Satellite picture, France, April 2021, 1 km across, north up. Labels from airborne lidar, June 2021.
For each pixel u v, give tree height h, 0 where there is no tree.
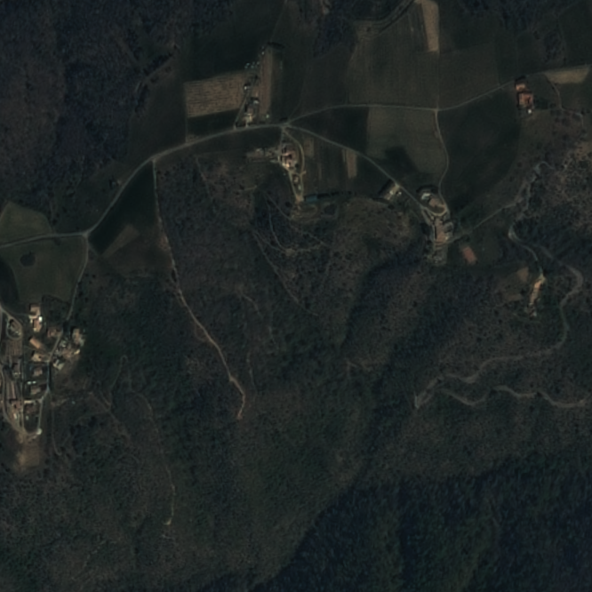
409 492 20
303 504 8
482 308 7
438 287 11
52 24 25
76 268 0
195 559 11
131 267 0
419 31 0
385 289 9
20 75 12
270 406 6
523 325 7
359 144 0
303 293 13
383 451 8
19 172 13
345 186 0
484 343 8
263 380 12
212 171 11
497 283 11
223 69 0
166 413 19
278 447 7
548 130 0
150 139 0
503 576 25
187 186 12
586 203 7
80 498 7
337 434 8
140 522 13
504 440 11
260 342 14
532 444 22
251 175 0
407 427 6
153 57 0
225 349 5
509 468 24
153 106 0
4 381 0
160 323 8
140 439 6
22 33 14
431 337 12
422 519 16
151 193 0
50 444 11
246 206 6
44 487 6
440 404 14
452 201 0
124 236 0
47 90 21
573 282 6
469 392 9
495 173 0
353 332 22
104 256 0
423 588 15
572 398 9
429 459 10
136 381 17
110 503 7
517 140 0
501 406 12
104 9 12
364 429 7
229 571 9
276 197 10
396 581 21
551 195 8
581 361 7
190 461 25
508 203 0
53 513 6
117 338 8
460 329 7
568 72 0
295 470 8
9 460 0
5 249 0
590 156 10
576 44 0
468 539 22
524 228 32
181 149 0
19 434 0
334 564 22
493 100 0
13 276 0
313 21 11
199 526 8
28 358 0
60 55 27
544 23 0
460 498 23
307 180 0
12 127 9
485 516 20
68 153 13
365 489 25
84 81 17
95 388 10
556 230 10
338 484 14
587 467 25
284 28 0
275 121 0
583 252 10
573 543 19
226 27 0
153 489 6
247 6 0
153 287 7
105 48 15
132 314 8
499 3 6
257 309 11
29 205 6
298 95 0
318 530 9
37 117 20
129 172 0
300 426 7
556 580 18
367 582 21
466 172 0
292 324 15
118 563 8
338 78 0
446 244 0
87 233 0
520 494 24
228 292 10
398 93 0
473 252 0
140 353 16
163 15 11
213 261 14
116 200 0
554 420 8
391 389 20
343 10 7
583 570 17
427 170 0
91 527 9
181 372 7
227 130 0
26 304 0
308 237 11
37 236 0
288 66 0
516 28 11
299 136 0
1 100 10
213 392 10
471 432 10
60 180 14
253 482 7
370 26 0
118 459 9
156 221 0
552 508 22
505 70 0
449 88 0
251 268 17
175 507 9
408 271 10
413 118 0
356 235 8
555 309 12
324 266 9
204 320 9
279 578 9
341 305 8
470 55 0
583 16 0
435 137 0
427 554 14
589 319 16
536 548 25
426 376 8
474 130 0
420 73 0
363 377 20
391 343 11
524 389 9
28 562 8
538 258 11
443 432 15
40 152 13
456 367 8
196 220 14
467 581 25
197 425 11
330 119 0
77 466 10
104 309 9
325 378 19
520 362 10
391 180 6
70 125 13
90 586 10
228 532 11
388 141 0
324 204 0
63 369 0
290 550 11
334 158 0
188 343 10
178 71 0
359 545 12
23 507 6
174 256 10
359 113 0
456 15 0
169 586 13
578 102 0
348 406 8
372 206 0
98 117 17
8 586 7
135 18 17
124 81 10
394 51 0
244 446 6
